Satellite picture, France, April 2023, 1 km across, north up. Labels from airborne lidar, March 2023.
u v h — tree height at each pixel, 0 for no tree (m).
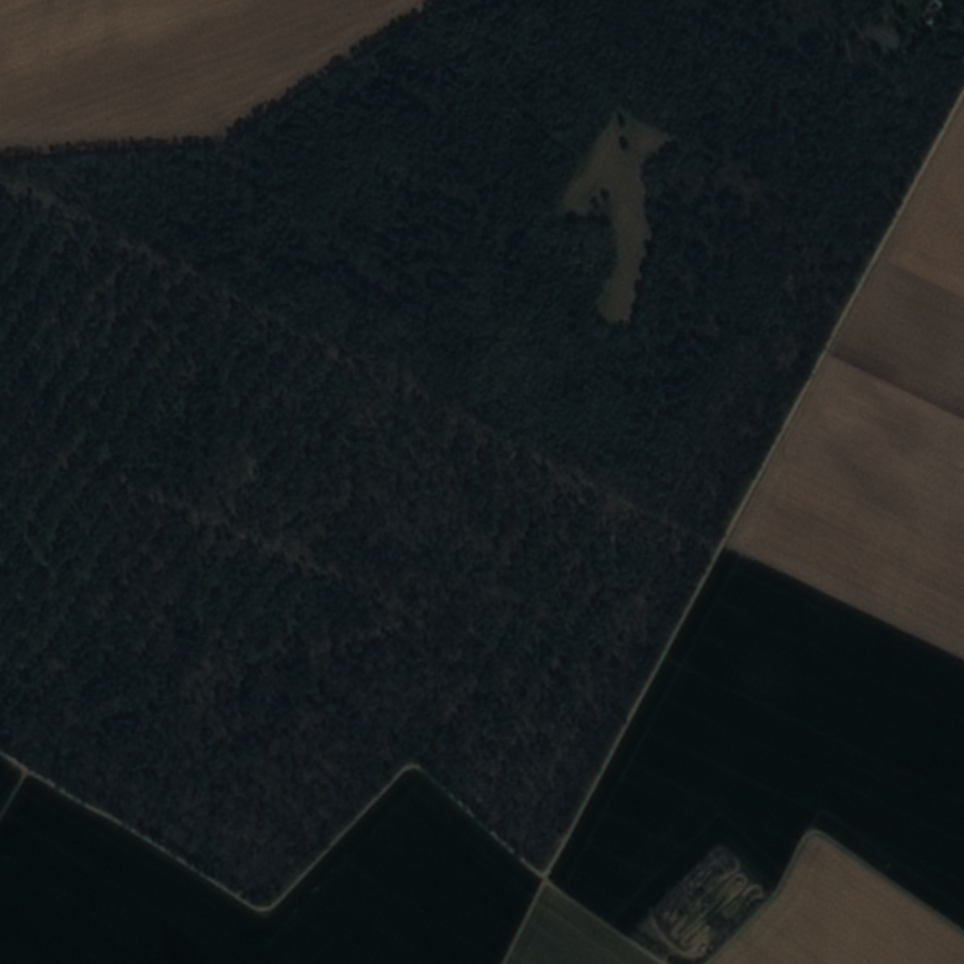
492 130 13
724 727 0
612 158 0
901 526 0
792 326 14
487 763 13
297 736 16
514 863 0
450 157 11
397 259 13
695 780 0
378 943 0
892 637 0
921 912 0
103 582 12
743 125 16
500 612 14
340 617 20
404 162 14
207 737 12
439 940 0
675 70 14
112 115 0
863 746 0
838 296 14
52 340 12
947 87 14
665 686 0
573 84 13
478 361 13
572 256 12
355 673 15
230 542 12
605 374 10
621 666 16
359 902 0
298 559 0
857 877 0
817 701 0
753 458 13
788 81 18
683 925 0
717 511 12
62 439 13
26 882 0
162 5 0
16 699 13
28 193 0
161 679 17
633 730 0
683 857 0
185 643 17
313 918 0
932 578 0
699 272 13
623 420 13
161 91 0
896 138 15
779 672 0
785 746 0
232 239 13
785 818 0
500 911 0
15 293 15
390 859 0
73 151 9
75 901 0
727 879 0
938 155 0
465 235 16
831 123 15
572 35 15
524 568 15
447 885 0
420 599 18
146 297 14
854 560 0
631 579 14
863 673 0
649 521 13
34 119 0
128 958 0
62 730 17
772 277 14
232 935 0
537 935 0
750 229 14
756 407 14
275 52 0
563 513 15
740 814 0
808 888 0
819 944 0
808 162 16
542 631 13
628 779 0
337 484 16
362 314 14
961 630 0
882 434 0
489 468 14
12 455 12
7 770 0
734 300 14
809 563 0
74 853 0
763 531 0
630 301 0
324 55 0
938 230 0
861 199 16
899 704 0
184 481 13
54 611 12
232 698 16
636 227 0
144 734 15
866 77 15
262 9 0
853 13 13
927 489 0
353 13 0
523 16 13
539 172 13
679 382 15
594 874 0
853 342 0
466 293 14
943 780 0
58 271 16
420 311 13
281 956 0
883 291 0
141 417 12
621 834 0
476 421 14
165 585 15
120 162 15
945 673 0
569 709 16
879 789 0
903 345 0
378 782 10
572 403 12
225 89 0
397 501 16
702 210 13
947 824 0
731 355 12
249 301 14
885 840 0
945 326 0
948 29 15
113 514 13
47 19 0
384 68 14
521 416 13
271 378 12
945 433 0
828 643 0
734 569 0
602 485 17
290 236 14
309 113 15
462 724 13
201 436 10
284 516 12
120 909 0
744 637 0
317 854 8
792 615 0
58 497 13
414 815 0
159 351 17
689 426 14
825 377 0
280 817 15
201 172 15
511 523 16
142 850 0
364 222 10
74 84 0
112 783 13
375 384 16
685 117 12
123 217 16
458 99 15
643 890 0
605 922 0
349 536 15
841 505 0
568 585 16
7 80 0
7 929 0
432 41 13
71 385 11
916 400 0
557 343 14
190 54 0
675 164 12
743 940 0
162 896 0
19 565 12
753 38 16
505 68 14
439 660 15
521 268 16
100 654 18
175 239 17
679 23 14
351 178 16
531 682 17
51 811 0
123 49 0
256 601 18
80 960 0
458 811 0
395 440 9
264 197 19
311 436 13
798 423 0
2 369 12
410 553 13
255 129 15
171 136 0
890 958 0
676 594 15
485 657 15
